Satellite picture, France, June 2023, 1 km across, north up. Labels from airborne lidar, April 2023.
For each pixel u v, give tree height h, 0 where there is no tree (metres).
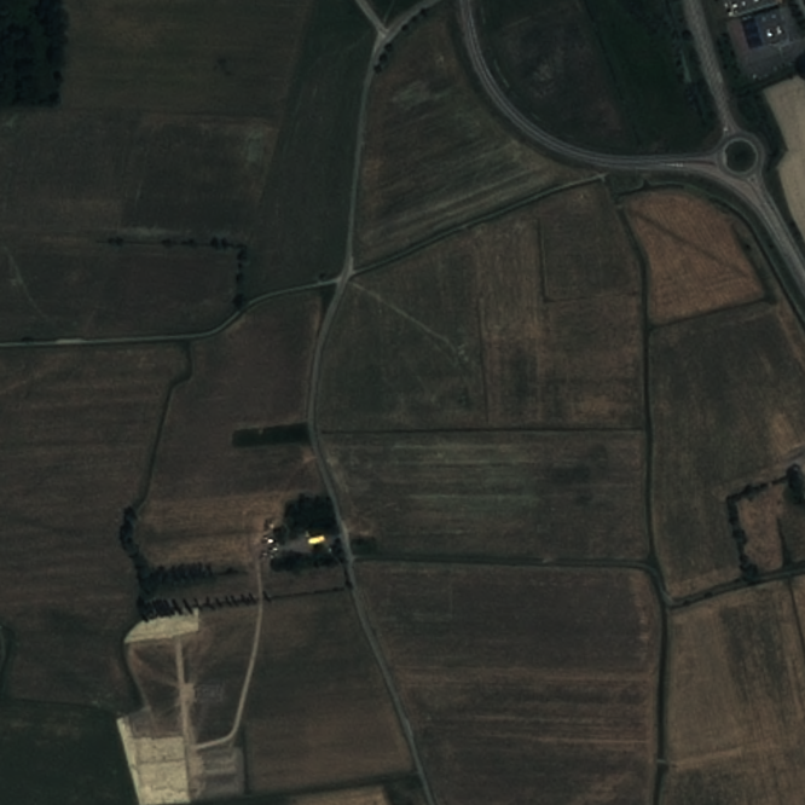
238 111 0
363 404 0
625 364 0
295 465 0
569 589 0
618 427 0
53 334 0
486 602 0
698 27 0
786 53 0
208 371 0
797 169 0
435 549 0
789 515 0
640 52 0
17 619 0
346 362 0
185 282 0
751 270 0
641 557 0
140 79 0
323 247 0
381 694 0
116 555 0
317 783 0
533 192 0
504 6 0
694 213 0
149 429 0
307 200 0
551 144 0
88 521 0
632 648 0
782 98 0
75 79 0
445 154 0
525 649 0
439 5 0
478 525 0
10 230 0
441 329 0
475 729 0
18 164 0
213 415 0
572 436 0
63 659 0
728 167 0
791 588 0
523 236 0
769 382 0
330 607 0
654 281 0
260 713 0
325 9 0
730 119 0
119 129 0
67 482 0
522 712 0
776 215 0
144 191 0
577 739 0
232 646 0
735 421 0
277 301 0
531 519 0
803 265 0
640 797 0
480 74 0
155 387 0
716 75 0
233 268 0
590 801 0
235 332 0
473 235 0
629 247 0
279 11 0
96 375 0
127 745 0
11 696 0
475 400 0
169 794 0
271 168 0
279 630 0
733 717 0
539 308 0
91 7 0
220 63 0
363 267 0
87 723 0
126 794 0
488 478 0
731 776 0
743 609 0
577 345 0
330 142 0
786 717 0
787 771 0
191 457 0
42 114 0
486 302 0
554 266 0
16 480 0
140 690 0
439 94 0
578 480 0
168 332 0
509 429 0
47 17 24
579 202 0
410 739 0
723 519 0
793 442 0
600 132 0
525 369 0
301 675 0
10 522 0
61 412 0
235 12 0
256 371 0
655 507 0
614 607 0
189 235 0
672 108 0
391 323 0
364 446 0
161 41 0
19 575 0
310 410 0
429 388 0
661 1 0
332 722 0
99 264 0
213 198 0
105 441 0
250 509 0
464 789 0
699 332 0
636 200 0
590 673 0
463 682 0
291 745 0
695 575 0
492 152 0
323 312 0
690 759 0
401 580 0
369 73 0
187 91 0
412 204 0
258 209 0
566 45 0
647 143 0
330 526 11
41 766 0
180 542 0
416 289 0
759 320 0
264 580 0
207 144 0
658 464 0
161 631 0
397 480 0
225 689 0
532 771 0
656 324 0
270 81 0
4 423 0
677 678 0
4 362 0
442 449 0
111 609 0
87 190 0
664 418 0
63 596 0
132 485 0
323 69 0
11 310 0
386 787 0
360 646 0
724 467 0
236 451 0
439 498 0
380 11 0
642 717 0
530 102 0
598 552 0
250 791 0
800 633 0
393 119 0
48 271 0
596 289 0
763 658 0
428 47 0
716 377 0
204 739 0
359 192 0
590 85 0
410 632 0
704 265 0
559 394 0
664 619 0
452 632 0
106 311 0
